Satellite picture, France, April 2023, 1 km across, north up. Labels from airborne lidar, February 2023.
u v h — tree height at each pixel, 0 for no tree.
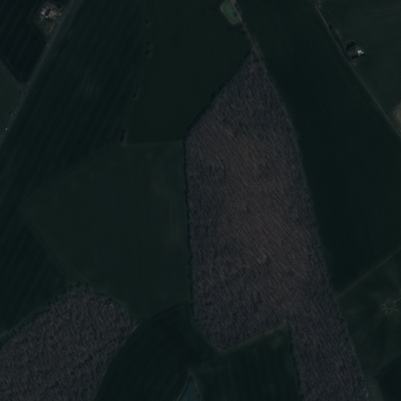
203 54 0
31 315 0
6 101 0
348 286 0
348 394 26
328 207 0
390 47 0
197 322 13
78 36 0
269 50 0
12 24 0
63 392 22
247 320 23
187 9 0
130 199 0
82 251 0
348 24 0
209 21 0
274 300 26
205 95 0
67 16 0
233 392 0
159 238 0
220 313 7
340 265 0
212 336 21
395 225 0
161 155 0
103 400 0
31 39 0
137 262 0
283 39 0
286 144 24
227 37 0
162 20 0
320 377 26
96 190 0
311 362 26
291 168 22
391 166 0
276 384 0
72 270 0
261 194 26
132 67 0
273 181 24
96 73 0
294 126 0
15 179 0
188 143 21
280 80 0
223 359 0
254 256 24
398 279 0
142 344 0
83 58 0
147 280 0
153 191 0
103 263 0
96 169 0
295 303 25
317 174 0
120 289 0
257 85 23
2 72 0
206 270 23
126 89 0
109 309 17
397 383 0
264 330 23
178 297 0
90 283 0
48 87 0
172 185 0
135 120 0
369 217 0
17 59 0
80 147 0
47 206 0
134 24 0
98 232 0
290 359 0
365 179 0
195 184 23
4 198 0
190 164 22
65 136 0
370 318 0
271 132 24
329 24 0
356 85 0
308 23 0
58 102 0
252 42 0
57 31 0
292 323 21
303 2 0
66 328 18
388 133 0
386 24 0
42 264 0
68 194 0
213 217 28
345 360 22
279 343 0
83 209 0
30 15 0
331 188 0
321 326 23
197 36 0
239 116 25
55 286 0
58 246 0
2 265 0
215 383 0
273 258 24
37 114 0
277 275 26
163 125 0
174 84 0
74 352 21
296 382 0
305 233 25
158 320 0
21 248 0
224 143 25
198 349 0
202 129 25
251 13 0
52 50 0
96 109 0
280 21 0
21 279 0
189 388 0
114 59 0
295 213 24
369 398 0
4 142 0
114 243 0
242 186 26
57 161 0
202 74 0
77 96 0
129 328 6
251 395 0
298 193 21
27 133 0
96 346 14
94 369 22
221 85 0
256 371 0
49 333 21
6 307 0
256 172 25
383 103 0
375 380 0
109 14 0
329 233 0
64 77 0
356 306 0
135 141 0
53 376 24
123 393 0
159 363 0
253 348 0
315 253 21
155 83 0
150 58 9
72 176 0
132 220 0
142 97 0
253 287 23
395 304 0
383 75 0
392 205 0
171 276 0
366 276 0
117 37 0
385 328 0
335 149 0
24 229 0
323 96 0
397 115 0
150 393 0
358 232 0
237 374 0
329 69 0
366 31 0
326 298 23
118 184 0
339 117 0
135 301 0
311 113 0
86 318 20
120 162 0
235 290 25
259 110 26
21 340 18
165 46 0
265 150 24
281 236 24
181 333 0
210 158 25
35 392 21
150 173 0
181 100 0
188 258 0
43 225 0
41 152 0
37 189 0
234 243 23
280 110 19
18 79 0
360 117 0
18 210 0
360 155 0
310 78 0
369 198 0
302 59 0
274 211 25
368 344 0
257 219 24
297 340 22
